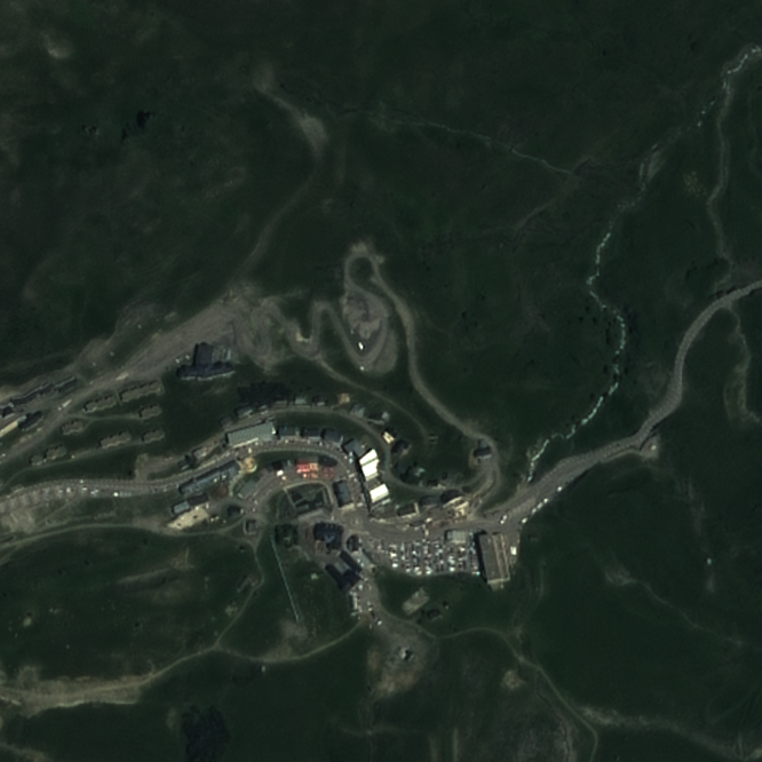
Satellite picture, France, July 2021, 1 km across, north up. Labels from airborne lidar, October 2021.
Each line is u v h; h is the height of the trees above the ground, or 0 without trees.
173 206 0
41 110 0
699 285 0
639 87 0
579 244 0
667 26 0
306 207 0
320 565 0
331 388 0
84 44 0
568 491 0
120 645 0
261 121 0
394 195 0
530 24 0
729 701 0
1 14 0
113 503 0
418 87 0
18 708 0
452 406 0
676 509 0
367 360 0
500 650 0
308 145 0
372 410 0
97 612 0
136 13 0
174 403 0
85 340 0
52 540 0
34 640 0
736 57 0
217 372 0
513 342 0
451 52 0
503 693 0
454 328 0
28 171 0
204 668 0
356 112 0
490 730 0
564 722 0
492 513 0
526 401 0
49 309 0
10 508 0
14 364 0
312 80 0
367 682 0
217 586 0
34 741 0
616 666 0
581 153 0
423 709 0
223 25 0
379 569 0
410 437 0
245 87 0
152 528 0
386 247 0
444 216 0
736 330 0
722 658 0
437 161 0
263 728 0
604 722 0
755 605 0
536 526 0
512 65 0
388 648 0
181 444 0
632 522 0
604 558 0
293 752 0
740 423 0
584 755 0
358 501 0
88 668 0
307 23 0
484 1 0
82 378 0
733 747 0
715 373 0
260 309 0
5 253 0
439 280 0
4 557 0
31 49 0
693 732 0
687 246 0
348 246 0
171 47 0
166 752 0
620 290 0
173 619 0
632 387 0
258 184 0
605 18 0
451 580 0
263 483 0
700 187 0
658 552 0
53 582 0
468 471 0
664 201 0
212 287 0
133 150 0
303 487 0
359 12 0
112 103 0
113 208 0
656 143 0
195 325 0
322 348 0
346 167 0
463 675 0
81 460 0
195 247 0
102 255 0
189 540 0
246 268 0
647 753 0
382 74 0
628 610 0
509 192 0
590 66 0
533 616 0
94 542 0
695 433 0
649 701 0
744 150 0
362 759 0
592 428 0
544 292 0
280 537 15
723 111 0
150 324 0
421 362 0
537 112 0
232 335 0
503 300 0
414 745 0
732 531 0
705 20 0
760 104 0
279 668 0
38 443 0
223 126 0
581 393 0
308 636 0
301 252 0
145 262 0
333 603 0
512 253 0
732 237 0
